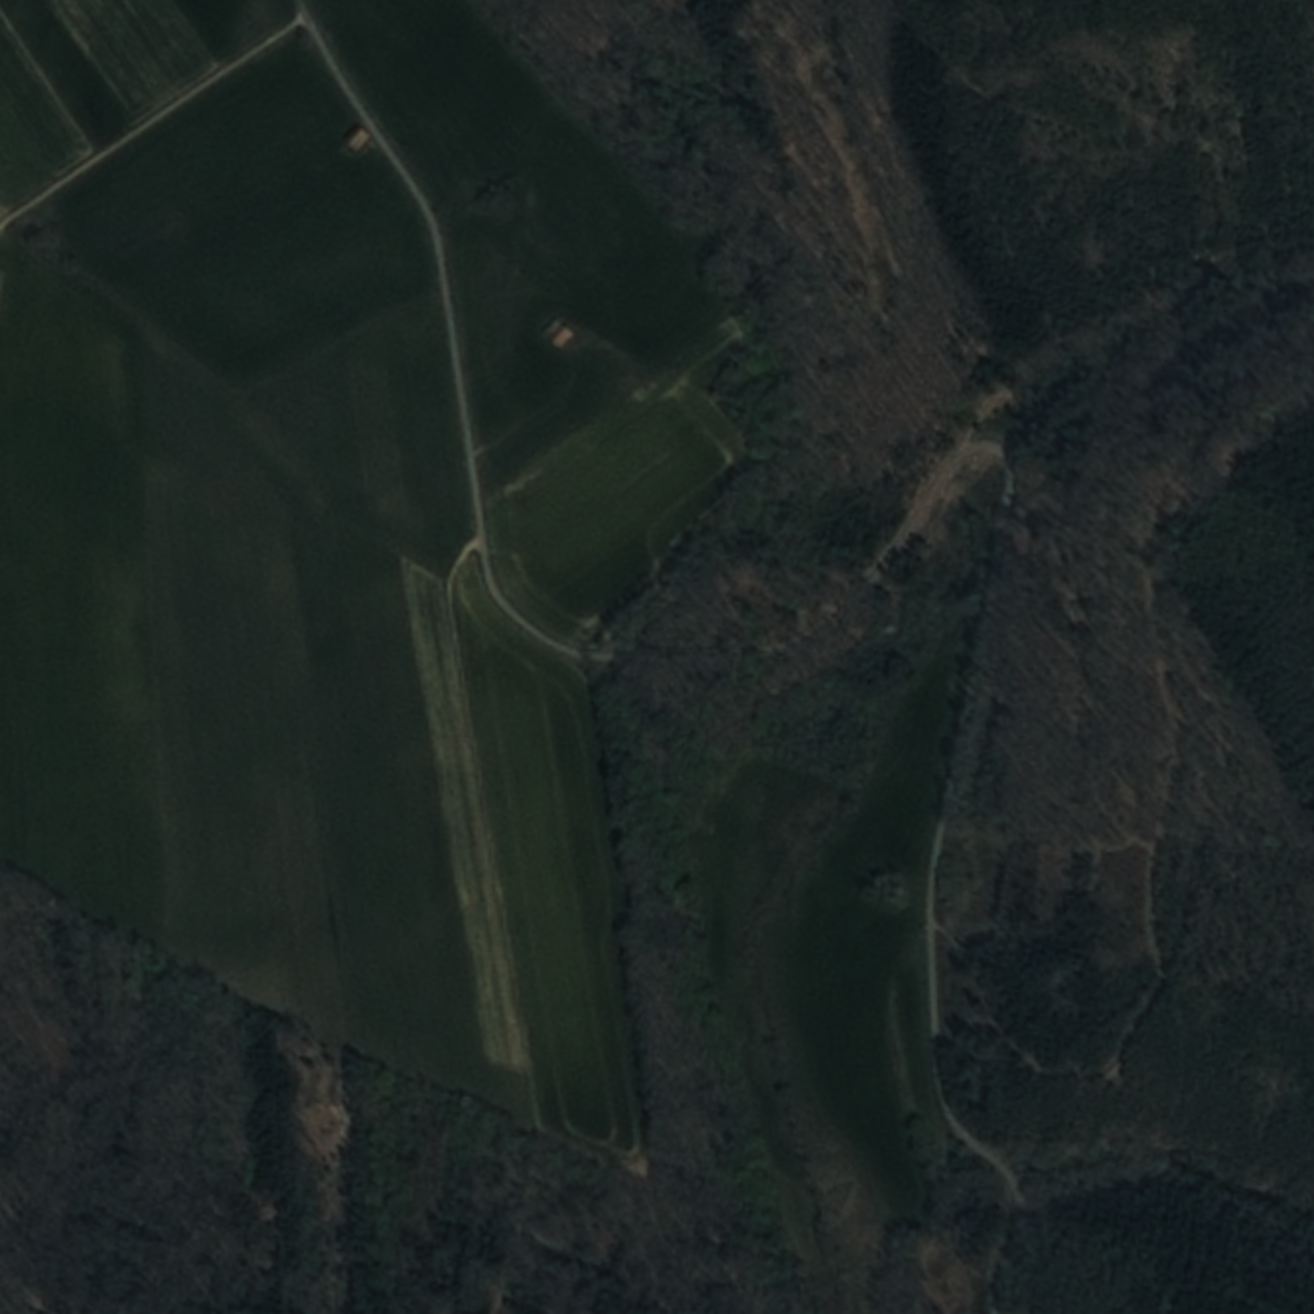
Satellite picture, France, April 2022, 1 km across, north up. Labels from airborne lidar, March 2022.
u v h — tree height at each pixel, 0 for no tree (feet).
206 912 0
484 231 0
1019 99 36
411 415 0
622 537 0
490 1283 96
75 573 0
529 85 0
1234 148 50
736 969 0
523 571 0
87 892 0
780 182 18
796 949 0
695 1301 97
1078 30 44
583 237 0
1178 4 41
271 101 0
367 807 0
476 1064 0
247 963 0
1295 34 49
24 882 74
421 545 0
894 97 101
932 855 0
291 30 0
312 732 0
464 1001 0
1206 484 76
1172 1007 61
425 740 0
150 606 0
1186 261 71
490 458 0
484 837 0
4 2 0
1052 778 79
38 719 0
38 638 0
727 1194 109
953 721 0
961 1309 0
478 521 0
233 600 0
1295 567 47
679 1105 100
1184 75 40
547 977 0
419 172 0
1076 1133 66
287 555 0
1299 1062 58
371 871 0
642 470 0
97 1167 94
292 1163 70
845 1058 0
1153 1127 61
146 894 0
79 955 66
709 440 0
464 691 0
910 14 53
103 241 0
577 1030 0
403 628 0
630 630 67
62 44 0
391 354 0
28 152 0
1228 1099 59
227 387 0
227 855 0
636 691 101
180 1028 104
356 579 0
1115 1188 81
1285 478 51
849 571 95
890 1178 0
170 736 0
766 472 79
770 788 0
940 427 101
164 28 0
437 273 0
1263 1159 64
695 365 0
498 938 0
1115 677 76
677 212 78
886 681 73
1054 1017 27
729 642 100
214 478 0
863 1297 0
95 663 0
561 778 0
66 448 0
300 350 0
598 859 0
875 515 46
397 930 0
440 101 0
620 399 0
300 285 0
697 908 93
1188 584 70
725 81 51
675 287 0
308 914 0
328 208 0
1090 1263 53
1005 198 63
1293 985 55
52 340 0
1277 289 78
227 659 0
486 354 0
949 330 86
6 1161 92
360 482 0
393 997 0
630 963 64
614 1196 77
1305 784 52
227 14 0
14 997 104
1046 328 66
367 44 0
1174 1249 52
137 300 0
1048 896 26
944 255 95
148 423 0
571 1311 104
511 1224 91
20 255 0
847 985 0
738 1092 68
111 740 0
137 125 0
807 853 0
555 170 0
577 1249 72
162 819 0
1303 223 66
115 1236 104
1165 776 60
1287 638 46
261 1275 68
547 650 0
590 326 0
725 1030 58
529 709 0
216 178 0
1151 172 36
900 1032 0
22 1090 90
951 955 0
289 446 0
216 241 0
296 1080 60
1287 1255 61
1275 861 93
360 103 0
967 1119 62
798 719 94
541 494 0
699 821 94
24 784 0
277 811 0
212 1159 91
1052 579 67
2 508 0
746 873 0
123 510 0
